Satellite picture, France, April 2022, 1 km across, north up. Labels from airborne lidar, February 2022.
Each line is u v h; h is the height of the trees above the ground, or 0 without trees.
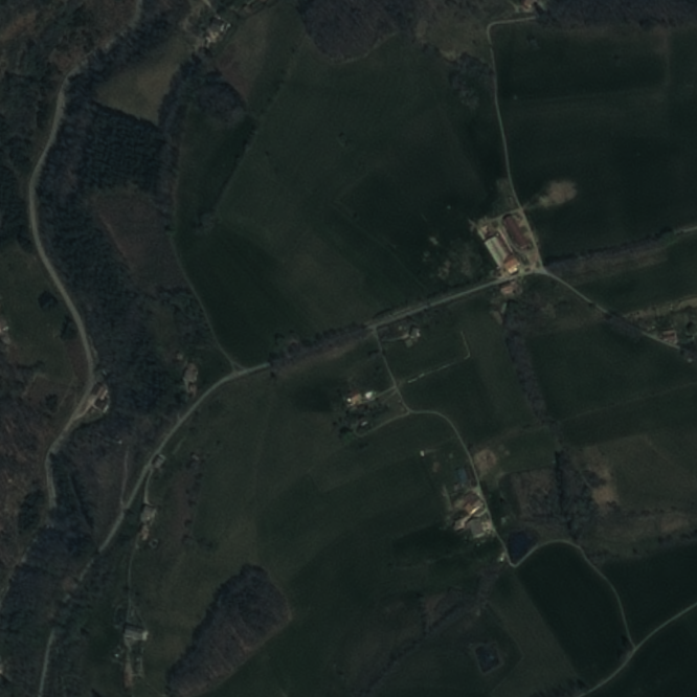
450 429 0
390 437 0
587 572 0
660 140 0
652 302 0
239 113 26
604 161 0
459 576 0
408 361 0
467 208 0
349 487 0
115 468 0
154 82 0
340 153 0
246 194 0
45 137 8
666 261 0
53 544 34
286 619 27
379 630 0
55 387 0
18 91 23
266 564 0
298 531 0
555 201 0
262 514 0
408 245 0
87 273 28
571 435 0
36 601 23
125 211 0
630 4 27
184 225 0
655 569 0
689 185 0
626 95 0
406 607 0
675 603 0
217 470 0
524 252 0
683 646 0
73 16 17
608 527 0
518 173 0
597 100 0
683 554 0
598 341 0
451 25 0
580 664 0
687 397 0
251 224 0
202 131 0
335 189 0
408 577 0
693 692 0
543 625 0
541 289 0
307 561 0
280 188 0
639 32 0
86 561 31
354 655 0
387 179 0
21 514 11
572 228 0
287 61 0
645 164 0
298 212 0
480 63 12
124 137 27
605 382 0
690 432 0
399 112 0
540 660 0
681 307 0
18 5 26
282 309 0
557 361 0
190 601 0
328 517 0
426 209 0
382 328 0
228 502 0
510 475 0
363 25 32
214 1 20
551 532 0
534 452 0
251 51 0
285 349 11
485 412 0
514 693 0
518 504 0
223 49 0
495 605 0
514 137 0
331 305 0
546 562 0
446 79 0
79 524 29
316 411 0
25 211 26
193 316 21
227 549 0
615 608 0
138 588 0
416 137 0
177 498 0
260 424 0
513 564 0
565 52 0
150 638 0
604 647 0
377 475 0
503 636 0
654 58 0
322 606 0
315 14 31
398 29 22
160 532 0
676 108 0
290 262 0
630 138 0
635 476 0
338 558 0
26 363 0
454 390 0
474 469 0
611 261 16
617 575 0
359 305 0
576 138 0
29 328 0
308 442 0
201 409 0
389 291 0
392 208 0
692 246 0
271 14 0
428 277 0
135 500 0
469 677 0
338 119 0
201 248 0
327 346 25
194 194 0
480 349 0
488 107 0
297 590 0
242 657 29
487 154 0
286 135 0
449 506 0
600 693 0
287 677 0
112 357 19
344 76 0
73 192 19
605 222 0
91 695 0
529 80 0
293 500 0
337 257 0
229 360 0
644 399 0
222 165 0
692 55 0
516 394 0
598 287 0
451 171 0
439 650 0
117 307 22
